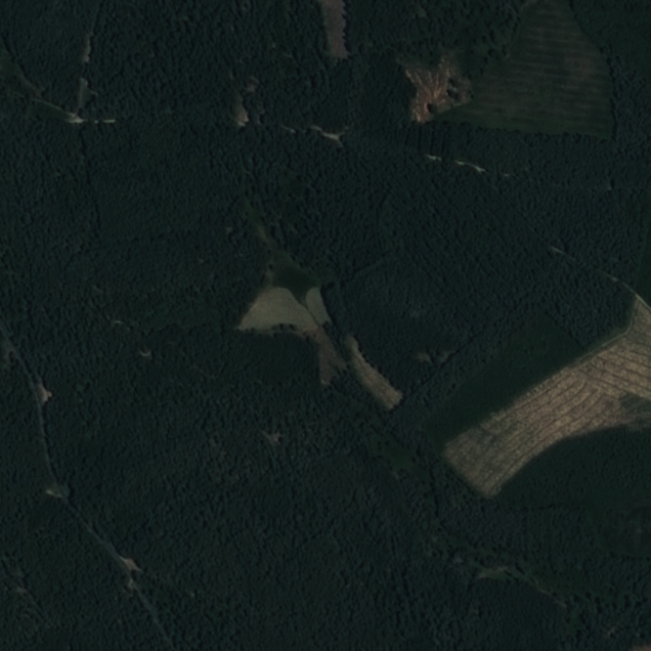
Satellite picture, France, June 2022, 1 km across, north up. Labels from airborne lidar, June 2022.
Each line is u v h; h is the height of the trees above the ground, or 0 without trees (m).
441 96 0
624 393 0
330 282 6
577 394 0
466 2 14
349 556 19
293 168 33
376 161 23
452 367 22
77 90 19
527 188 22
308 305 0
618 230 25
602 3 15
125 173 27
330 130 18
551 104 0
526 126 0
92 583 21
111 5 26
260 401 19
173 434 15
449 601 12
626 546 0
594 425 0
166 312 13
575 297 23
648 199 30
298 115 32
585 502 7
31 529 15
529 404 0
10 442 21
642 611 29
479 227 14
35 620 20
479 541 16
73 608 20
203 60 24
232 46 18
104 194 27
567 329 21
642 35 12
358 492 25
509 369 6
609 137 0
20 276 6
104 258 28
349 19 27
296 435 22
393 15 28
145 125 24
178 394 10
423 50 17
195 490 18
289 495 26
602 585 6
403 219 19
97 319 11
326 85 23
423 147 23
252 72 21
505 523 18
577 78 0
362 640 26
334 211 27
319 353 19
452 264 20
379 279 25
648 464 8
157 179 25
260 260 23
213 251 22
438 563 23
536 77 0
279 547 26
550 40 0
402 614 8
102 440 20
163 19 15
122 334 16
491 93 0
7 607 16
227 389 8
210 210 29
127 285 23
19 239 11
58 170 23
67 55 17
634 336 0
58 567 21
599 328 22
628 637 27
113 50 28
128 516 13
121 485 19
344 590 24
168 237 27
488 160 23
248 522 24
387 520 24
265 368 15
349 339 29
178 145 26
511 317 19
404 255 21
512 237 14
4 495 21
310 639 17
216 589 27
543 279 24
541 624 22
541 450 0
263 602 22
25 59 22
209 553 24
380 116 13
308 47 27
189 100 27
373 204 27
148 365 13
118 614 22
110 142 25
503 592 25
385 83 13
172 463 21
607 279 25
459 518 23
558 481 8
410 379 22
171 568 21
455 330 17
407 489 18
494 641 24
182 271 26
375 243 30
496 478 0
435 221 18
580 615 27
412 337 23
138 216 28
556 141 26
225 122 28
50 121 19
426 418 26
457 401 7
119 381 17
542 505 7
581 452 7
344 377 13
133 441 19
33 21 19
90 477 25
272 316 0
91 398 19
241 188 26
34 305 27
